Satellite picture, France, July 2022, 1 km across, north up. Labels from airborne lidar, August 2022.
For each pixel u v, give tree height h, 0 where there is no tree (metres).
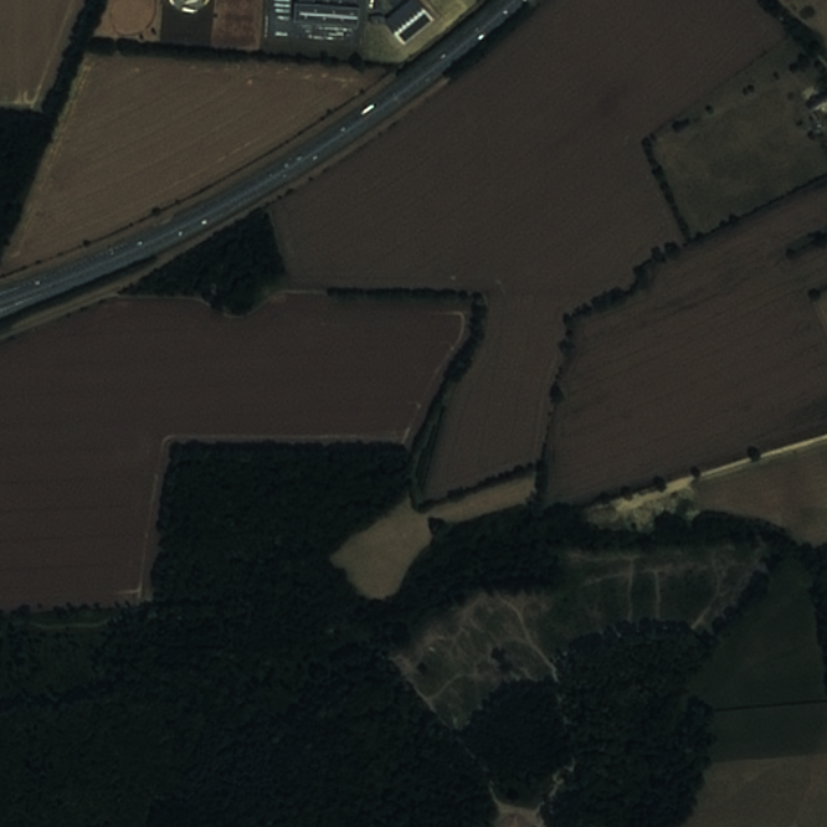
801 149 0
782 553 23
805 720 0
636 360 0
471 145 0
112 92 0
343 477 26
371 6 0
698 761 11
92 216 0
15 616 6
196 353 0
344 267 0
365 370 0
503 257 0
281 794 21
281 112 0
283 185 0
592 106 0
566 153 0
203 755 25
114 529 0
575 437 0
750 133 0
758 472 0
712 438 0
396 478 21
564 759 16
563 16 0
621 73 0
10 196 18
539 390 0
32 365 0
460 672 0
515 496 0
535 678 0
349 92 0
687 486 0
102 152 0
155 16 0
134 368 0
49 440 0
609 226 0
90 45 15
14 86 0
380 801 16
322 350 0
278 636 15
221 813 23
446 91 0
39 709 23
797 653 0
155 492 0
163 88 0
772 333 0
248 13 0
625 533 6
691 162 0
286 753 18
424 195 0
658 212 0
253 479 22
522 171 0
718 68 0
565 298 0
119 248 0
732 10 0
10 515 0
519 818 0
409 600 11
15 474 0
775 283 0
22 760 23
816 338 0
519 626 0
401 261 0
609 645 23
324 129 0
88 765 27
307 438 0
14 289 0
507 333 0
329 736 19
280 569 25
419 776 17
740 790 0
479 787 19
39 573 0
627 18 0
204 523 21
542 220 0
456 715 0
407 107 0
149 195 0
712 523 15
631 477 0
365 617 26
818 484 0
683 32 0
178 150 0
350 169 0
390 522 0
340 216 0
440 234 0
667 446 0
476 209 0
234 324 0
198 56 13
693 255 0
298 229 0
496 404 0
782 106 0
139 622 15
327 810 17
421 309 0
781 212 0
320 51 0
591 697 23
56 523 0
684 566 0
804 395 0
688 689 22
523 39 0
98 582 0
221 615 12
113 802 24
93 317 0
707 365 0
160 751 23
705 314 0
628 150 0
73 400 0
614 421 0
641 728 26
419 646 0
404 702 26
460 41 0
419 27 8
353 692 20
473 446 0
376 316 0
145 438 0
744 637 0
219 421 0
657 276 0
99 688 25
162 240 0
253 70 0
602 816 29
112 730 24
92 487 0
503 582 18
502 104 0
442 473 0
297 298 0
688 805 14
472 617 0
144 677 26
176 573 15
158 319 0
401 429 0
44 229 0
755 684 0
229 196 0
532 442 0
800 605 0
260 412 0
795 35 9
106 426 0
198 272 11
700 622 0
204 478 20
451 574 12
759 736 0
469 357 15
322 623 11
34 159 17
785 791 0
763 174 0
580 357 0
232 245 19
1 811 23
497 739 17
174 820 22
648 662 24
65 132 0
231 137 0
